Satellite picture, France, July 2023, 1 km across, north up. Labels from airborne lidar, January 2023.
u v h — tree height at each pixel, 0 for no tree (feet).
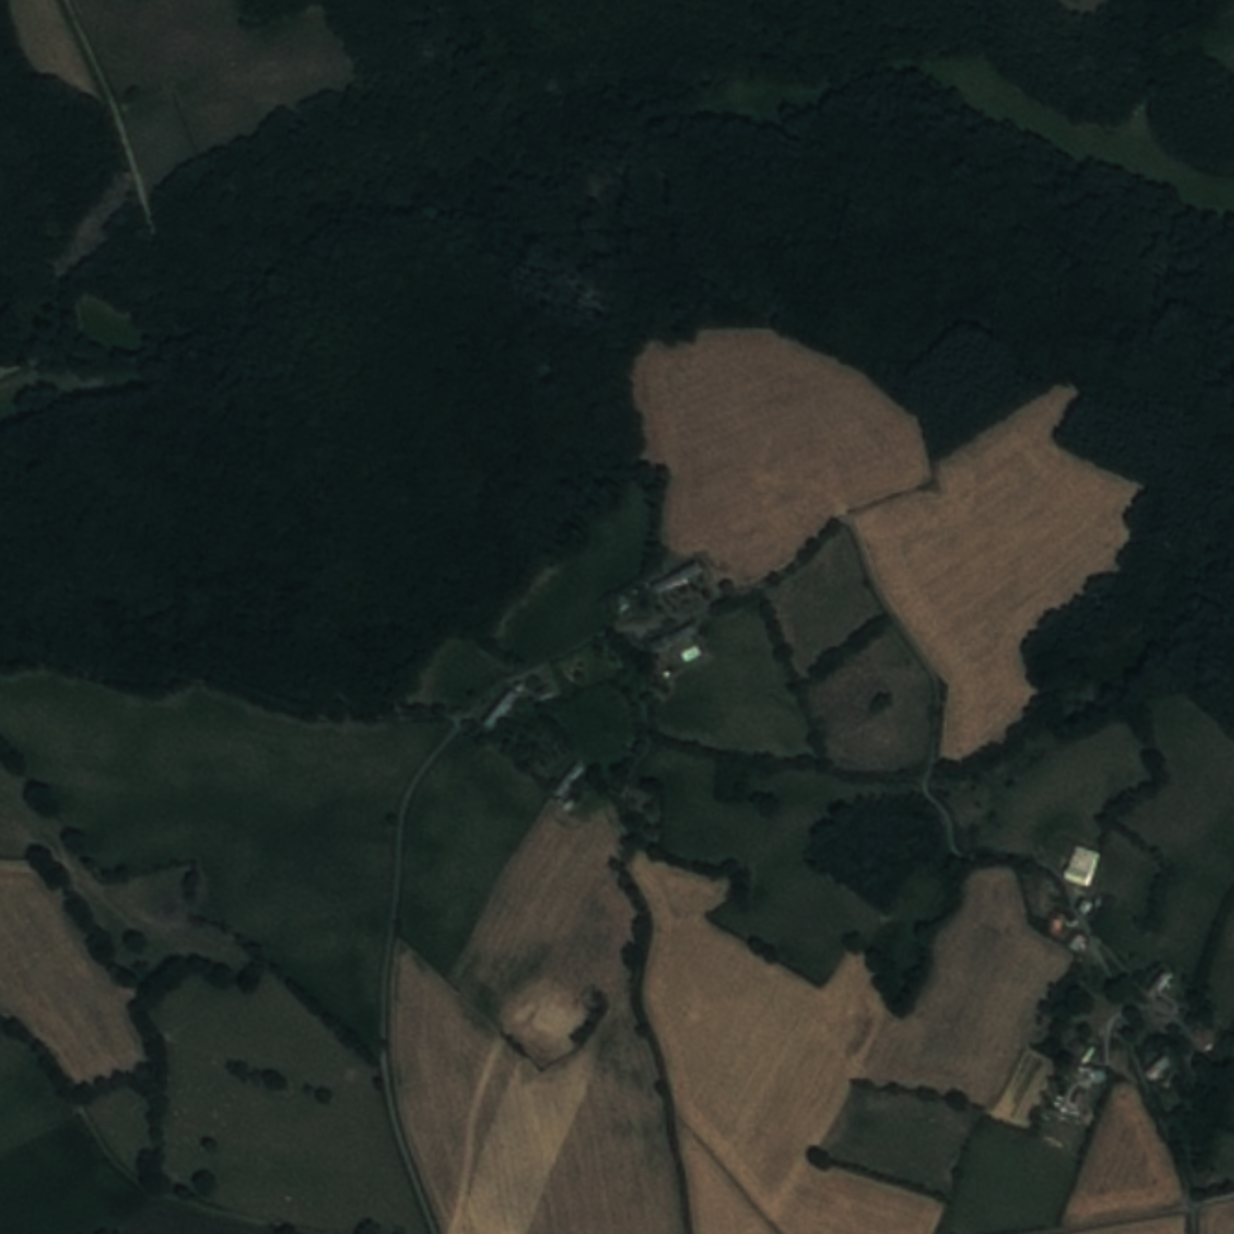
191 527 70
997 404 68
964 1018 0
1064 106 58
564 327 106
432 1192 0
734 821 0
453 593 57
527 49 50
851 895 0
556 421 91
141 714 0
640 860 0
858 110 69
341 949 0
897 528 0
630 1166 0
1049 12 54
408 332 75
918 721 0
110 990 0
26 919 0
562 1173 0
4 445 65
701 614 0
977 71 0
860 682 0
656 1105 0
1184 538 72
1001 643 0
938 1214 0
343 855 0
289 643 50
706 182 67
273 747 0
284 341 45
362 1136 0
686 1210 0
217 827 0
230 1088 0
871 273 73
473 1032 0
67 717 0
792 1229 0
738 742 0
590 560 0
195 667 36
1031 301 100
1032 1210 0
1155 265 95
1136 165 0
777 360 0
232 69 0
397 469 78
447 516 71
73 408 71
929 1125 0
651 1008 0
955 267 75
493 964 0
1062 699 39
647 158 70
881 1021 0
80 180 45
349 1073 0
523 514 56
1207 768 0
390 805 0
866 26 72
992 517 0
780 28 80
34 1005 0
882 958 51
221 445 71
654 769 0
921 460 0
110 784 0
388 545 86
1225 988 0
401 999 0
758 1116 0
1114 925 0
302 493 73
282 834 0
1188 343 101
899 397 43
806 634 0
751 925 0
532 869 0
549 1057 0
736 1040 0
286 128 77
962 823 0
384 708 46
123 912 0
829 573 0
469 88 75
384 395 75
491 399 79
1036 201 76
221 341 68
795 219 63
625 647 38
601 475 83
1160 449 78
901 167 63
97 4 0
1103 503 0
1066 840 0
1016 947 0
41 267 69
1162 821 0
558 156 29
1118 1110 0
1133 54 77
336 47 0
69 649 55
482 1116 0
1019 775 0
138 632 58
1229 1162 0
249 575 50
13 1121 0
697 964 0
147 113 0
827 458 0
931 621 0
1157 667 94
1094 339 79
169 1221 0
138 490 71
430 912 0
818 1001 0
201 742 0
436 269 64
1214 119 45
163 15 0
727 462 0
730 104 0
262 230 66
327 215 63
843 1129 0
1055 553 0
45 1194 0
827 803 0
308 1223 0
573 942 0
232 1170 0
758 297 56
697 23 90
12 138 90
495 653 45
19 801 0
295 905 0
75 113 63
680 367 0
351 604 66
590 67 63
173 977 58
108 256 52
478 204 44
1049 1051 22
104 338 0
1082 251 79
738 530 0
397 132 77
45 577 63
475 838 0
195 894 34
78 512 65
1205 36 61
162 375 80
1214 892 0
